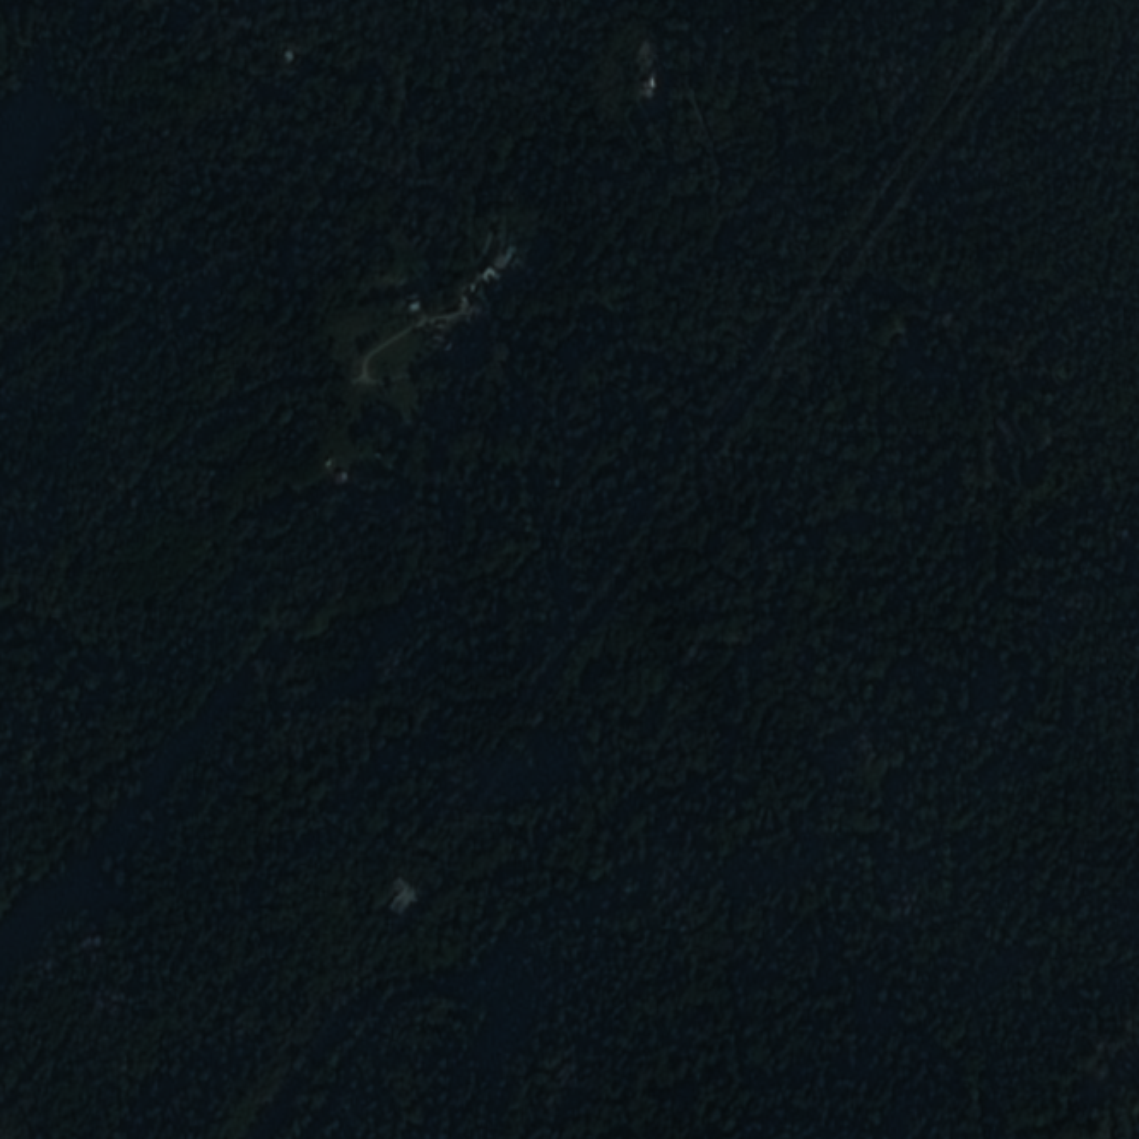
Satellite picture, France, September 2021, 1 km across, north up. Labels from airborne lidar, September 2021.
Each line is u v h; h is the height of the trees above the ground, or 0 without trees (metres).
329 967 22
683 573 24
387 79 8
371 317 7
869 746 17
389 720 28
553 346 9
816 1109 35
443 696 29
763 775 20
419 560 26
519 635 12
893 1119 19
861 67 23
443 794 18
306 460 23
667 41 21
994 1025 23
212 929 24
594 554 28
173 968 23
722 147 15
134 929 38
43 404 22
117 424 21
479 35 24
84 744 26
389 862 24
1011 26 20
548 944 19
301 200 22
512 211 8
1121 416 22
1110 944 23
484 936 19
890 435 31
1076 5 27
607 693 22
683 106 17
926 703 25
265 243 16
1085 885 19
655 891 24
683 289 34
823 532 21
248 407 15
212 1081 27
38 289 11
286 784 19
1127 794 25
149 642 24
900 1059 39
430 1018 21
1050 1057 28
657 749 24
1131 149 26
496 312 18
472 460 16
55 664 28
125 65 22
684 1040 38
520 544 20
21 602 7
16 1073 25
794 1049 32
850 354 24
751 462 23
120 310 26
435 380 18
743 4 26
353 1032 21
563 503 25
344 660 12
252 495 17
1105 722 24
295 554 23
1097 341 23
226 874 22
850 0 18
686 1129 13
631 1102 31
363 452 10
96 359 18
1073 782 28
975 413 32
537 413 28
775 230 28
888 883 30
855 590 13
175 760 7
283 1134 22
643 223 30
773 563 25
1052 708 26
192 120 20
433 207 26
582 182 28
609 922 22
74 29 16
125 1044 22
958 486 26
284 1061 25
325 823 28
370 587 27
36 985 30
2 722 30
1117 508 31
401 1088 20
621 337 19
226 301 22
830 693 28
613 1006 31
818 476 30
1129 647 17
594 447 20
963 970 25
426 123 16
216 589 16
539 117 26
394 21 28
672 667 21
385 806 30
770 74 20
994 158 28
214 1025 16
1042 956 19
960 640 21
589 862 22
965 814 26
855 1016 31
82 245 13
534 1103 13
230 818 28
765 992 29
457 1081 33
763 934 22
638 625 29
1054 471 17
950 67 17
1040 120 23
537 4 24
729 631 24
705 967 22
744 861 19
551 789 20
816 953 11
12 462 24
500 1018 22
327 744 15
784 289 33
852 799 24
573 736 22
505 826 27
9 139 24
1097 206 18
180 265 27
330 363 12
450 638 24
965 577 32
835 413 21
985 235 17
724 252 21
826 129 26
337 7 23
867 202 26
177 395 21
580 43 25
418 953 25
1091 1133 25
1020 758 24
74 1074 18
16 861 23
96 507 25
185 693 21
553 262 18
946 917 28
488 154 20
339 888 24
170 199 27
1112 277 27
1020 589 24
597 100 25
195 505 6
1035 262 23
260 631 31
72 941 26
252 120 26
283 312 26
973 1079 28
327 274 19
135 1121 23
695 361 26
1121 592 24
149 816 22
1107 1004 34
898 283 20
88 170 25
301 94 30
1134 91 20
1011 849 22
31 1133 24
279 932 26
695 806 23
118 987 29
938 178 30
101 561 24
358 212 27
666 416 17
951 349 19
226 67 14
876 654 24
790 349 26
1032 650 24
